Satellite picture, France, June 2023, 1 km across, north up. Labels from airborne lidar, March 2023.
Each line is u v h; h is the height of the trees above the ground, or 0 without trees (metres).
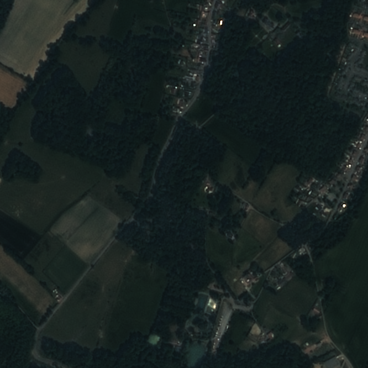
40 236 0
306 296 0
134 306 0
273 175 0
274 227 0
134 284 0
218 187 21
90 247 0
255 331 0
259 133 27
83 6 0
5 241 0
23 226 0
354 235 0
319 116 20
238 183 0
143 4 0
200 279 16
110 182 0
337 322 0
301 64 26
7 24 0
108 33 0
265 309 0
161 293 0
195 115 0
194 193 6
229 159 0
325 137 29
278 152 27
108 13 0
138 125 26
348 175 0
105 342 0
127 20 0
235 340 0
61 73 25
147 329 0
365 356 0
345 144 20
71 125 24
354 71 0
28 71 0
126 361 30
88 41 18
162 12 0
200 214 19
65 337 0
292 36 0
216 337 0
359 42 0
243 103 22
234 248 0
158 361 28
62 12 0
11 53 0
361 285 0
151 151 15
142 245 17
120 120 0
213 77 23
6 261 0
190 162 24
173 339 0
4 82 0
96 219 0
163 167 24
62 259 0
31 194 0
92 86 0
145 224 22
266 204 0
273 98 20
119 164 27
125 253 0
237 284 0
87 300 0
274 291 17
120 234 14
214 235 0
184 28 11
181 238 24
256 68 33
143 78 25
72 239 0
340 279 0
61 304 0
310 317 0
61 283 0
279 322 0
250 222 0
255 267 13
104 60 0
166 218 26
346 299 0
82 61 0
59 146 26
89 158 23
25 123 0
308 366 23
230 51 24
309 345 0
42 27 0
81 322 0
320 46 29
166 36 16
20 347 24
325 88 28
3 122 26
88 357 31
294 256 0
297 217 15
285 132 25
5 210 0
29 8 0
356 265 0
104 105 27
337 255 0
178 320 25
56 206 0
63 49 0
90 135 0
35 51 0
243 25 29
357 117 22
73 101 29
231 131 0
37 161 0
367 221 0
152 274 0
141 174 6
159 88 0
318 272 0
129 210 0
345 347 0
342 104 21
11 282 0
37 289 0
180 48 12
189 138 21
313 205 0
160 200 26
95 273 0
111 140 26
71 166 0
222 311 0
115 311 0
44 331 0
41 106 21
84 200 0
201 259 22
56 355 19
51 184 0
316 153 21
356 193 24
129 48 24
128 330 0
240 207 0
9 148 0
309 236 20
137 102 22
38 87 0
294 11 0
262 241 0
